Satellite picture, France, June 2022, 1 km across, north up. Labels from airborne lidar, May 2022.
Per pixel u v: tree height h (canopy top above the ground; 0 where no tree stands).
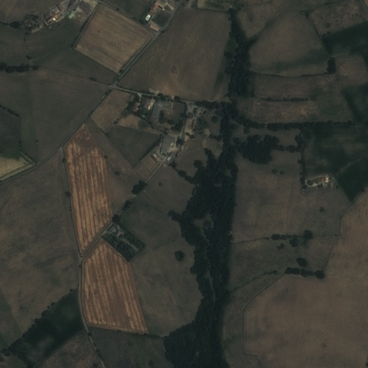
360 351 0
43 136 0
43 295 0
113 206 0
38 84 0
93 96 0
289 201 0
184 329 12
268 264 0
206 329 14
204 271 20
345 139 0
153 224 0
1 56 0
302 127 17
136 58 0
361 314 0
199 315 17
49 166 0
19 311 0
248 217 0
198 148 0
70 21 0
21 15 0
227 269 11
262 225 0
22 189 0
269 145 20
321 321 0
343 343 0
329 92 0
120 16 0
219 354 10
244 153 21
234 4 0
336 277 0
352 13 0
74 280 0
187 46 0
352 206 0
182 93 0
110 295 0
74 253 0
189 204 17
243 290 0
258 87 0
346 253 0
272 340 0
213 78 0
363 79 0
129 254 11
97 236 0
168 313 0
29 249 0
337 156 0
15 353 16
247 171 0
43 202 0
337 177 0
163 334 0
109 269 0
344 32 0
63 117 0
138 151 0
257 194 0
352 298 0
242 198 0
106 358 0
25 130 0
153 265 0
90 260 0
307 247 0
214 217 16
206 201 17
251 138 23
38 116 0
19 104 0
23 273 0
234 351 0
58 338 0
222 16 0
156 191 0
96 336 0
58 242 0
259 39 0
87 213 0
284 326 0
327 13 0
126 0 0
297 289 0
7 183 0
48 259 0
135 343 0
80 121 0
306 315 0
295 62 0
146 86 0
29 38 0
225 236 14
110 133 0
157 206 0
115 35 0
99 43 0
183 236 12
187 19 0
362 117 0
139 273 0
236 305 0
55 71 0
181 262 10
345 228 0
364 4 0
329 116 0
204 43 0
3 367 0
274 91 0
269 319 0
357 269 0
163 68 0
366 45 0
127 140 0
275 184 0
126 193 0
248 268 0
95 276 0
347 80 0
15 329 0
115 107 0
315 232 0
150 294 0
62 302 0
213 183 22
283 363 0
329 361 0
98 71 0
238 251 0
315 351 0
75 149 0
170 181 0
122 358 0
